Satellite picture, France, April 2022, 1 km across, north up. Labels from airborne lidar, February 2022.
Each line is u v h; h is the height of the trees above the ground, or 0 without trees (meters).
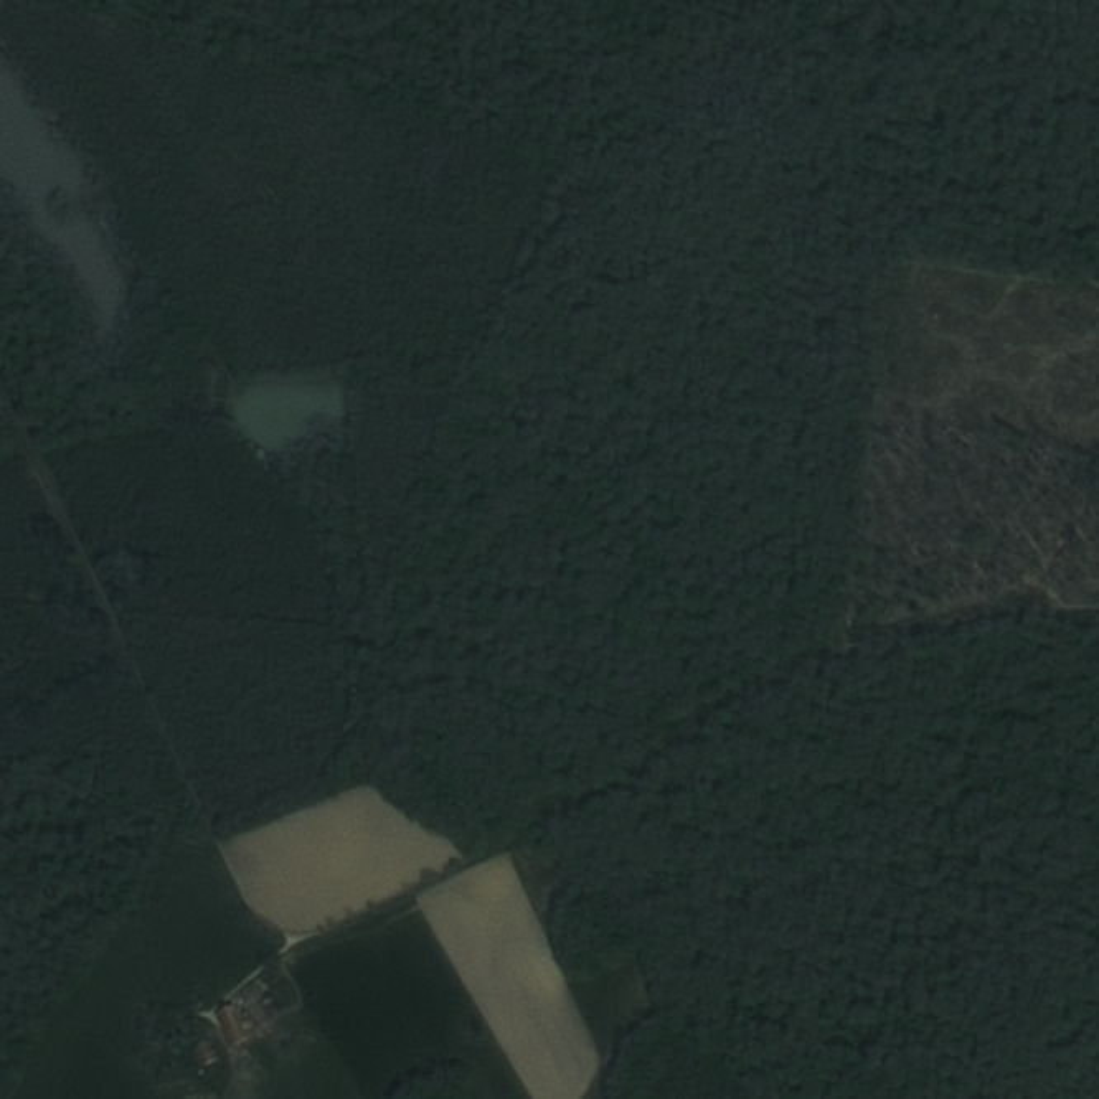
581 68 26
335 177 13
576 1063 0
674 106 24
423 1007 0
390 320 15
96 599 20
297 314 16
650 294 28
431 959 0
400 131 17
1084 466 23
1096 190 25
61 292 19
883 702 30
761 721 25
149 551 9
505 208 15
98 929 27
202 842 17
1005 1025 23
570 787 26
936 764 29
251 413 0
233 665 14
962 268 30
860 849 28
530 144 24
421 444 18
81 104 13
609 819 29
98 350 13
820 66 22
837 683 15
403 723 28
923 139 28
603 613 26
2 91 0
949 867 26
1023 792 29
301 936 0
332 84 26
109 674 27
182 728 15
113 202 14
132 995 0
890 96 31
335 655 26
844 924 23
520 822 20
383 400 17
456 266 15
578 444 34
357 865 0
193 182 14
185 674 15
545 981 0
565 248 30
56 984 26
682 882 17
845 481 22
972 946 28
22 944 29
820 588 29
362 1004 0
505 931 0
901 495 29
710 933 27
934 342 0
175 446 11
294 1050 0
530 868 0
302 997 0
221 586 10
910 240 33
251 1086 0
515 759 26
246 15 25
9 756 15
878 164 22
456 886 0
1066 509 28
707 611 20
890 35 7
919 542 26
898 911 27
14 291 24
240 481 8
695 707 23
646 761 23
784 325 25
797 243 24
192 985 0
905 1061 26
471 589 16
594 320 30
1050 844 24
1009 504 28
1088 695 20
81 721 16
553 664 24
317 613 8
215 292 14
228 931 0
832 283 28
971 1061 28
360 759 26
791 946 27
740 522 26
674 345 28
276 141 13
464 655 22
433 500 24
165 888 0
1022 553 24
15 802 30
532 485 29
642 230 27
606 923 26
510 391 19
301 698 16
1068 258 30
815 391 19
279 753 17
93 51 13
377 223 16
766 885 29
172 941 0
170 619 14
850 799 21
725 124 13
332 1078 0
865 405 25
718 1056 11
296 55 20
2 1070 18
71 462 9
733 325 26
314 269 17
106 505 13
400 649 20
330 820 0
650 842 26
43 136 0
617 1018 0
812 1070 23
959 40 21
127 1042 0
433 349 16
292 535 9
